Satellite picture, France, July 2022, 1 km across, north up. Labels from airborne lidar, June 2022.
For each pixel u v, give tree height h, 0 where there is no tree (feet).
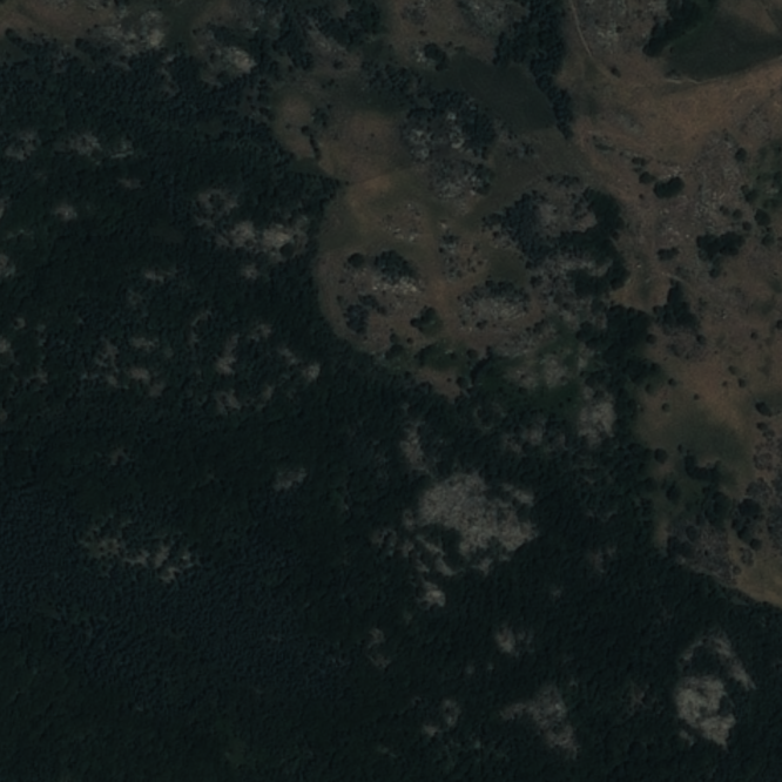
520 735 39
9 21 0
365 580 45
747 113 0
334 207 0
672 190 50
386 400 47
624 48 0
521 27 58
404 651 28
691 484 0
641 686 22
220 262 33
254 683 47
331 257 0
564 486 37
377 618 44
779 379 0
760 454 0
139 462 36
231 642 62
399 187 0
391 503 44
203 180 42
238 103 54
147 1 0
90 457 39
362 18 41
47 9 0
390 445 43
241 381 37
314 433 65
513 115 0
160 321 52
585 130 0
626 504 46
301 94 0
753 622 46
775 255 0
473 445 24
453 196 0
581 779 55
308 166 0
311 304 39
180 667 31
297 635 63
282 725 21
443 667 48
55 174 29
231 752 22
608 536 42
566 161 0
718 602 32
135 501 44
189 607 48
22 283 45
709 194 0
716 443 0
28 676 30
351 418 44
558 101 75
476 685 27
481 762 29
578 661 46
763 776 33
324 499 31
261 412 26
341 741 71
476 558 37
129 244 44
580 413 0
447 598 31
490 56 0
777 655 36
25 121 31
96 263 32
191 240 22
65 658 43
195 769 38
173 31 0
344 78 0
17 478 49
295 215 35
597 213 34
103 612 58
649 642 34
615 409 24
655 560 24
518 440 35
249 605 51
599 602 58
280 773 29
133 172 50
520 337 0
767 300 0
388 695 37
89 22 0
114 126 51
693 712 0
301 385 23
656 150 0
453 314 0
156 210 26
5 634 56
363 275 0
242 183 30
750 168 0
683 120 0
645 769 36
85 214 28
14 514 68
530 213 39
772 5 0
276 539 47
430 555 31
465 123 33
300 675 46
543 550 36
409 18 0
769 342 0
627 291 0
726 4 0
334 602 60
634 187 0
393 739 40
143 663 50
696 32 0
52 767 46
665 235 0
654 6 0
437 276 0
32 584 59
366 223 0
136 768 42
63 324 34
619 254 33
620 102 0
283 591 46
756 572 0
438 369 0
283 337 32
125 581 58
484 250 0
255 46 26
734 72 0
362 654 44
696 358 0
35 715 34
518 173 0
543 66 65
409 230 0
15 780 37
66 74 22
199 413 31
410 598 34
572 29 0
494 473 30
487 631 38
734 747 43
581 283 45
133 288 28
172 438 44
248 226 0
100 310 33
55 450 40
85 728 32
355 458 50
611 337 64
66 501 49
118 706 40
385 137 0
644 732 56
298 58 36
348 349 28
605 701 37
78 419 20
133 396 42
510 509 22
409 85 24
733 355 0
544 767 42
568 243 42
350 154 0
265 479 41
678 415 0
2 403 24
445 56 52
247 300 37
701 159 0
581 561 39
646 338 37
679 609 49
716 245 42
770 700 37
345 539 45
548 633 50
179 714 65
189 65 60
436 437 36
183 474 55
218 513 55
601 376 33
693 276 0
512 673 38
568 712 26
